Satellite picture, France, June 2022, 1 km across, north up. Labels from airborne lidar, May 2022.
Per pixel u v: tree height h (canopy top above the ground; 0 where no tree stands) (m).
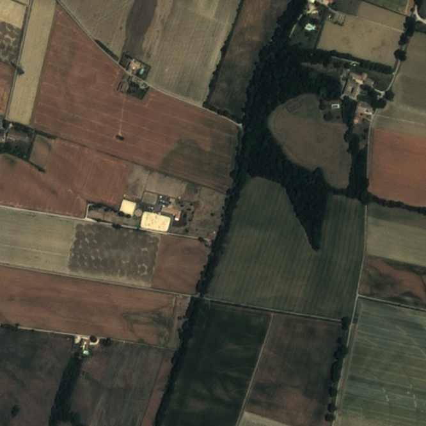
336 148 0
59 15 0
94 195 0
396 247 0
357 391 0
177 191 0
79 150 0
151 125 0
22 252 0
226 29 0
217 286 0
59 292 0
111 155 0
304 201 20
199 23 0
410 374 0
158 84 0
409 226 0
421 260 0
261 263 0
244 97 0
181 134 0
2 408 0
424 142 0
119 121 0
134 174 0
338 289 0
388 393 0
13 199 0
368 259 0
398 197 0
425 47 0
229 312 0
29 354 0
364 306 0
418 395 0
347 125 8
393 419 0
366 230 0
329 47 0
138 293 0
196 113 0
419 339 0
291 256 0
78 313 0
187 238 0
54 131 0
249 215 0
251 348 0
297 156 0
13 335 0
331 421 22
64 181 0
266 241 0
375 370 0
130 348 0
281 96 16
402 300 0
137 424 0
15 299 0
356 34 0
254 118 17
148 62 0
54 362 0
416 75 0
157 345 0
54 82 0
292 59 23
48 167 0
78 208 0
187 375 0
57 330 0
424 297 0
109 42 0
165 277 0
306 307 0
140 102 0
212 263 16
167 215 0
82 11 0
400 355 0
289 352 0
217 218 0
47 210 0
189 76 0
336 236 0
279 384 0
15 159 0
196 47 0
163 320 0
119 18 0
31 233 0
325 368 0
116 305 0
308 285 0
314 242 21
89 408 0
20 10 0
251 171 23
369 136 0
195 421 0
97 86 0
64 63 0
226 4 0
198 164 0
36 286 0
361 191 16
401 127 0
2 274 0
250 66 0
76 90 0
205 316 0
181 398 0
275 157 20
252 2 0
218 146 0
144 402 0
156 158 0
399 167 0
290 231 0
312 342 0
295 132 0
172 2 0
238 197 15
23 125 7
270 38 0
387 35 0
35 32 0
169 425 0
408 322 0
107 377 0
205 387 0
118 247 0
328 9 10
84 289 0
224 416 0
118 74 0
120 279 0
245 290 0
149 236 0
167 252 0
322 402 0
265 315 0
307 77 18
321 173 16
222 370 0
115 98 0
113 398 0
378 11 0
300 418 0
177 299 0
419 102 0
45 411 0
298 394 0
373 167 0
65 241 0
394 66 0
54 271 0
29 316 0
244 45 0
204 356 0
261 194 0
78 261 0
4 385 0
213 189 0
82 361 6
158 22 0
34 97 0
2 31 0
